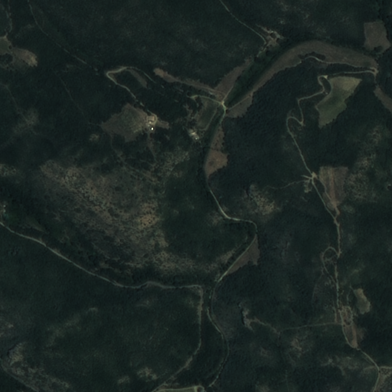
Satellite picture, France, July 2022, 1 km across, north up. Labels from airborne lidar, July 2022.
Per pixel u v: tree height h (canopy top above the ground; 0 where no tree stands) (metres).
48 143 7
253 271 7
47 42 7
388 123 8
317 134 8
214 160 0
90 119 9
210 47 7
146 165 6
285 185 7
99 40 6
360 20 8
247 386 8
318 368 7
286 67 8
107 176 0
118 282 6
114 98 8
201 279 11
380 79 6
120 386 6
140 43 7
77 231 10
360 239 9
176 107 8
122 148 8
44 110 6
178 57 6
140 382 14
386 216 7
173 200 7
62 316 8
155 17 8
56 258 8
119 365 11
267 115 7
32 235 7
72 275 10
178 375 8
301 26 5
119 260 7
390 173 6
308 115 6
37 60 7
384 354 7
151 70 6
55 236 6
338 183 0
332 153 9
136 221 0
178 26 6
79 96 6
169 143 7
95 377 16
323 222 7
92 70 8
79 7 5
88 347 7
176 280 16
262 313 8
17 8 6
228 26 7
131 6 6
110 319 10
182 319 11
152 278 11
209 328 9
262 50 6
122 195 0
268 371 8
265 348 8
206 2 7
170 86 12
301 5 6
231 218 10
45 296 7
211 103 0
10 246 8
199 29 6
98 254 6
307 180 0
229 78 0
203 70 6
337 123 8
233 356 6
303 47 0
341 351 6
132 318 6
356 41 9
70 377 8
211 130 6
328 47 0
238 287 9
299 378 6
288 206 8
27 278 6
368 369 0
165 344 10
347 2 9
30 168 6
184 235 7
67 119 8
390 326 8
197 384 9
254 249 0
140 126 0
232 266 0
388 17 11
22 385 8
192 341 10
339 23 6
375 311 10
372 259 8
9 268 7
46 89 6
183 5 9
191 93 11
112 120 0
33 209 13
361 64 0
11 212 8
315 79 6
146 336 6
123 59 9
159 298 9
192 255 8
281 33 7
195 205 5
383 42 0
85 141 6
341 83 0
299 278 7
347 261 7
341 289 7
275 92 7
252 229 6
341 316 0
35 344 6
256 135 6
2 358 9
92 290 8
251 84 10
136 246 0
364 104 8
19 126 0
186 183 6
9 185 7
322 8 7
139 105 7
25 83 8
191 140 7
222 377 6
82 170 0
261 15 6
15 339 8
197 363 10
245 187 8
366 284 6
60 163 0
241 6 7
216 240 7
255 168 7
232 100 7
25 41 8
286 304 6
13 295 7
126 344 10
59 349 6
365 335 10
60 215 7
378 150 12
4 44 0
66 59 10
